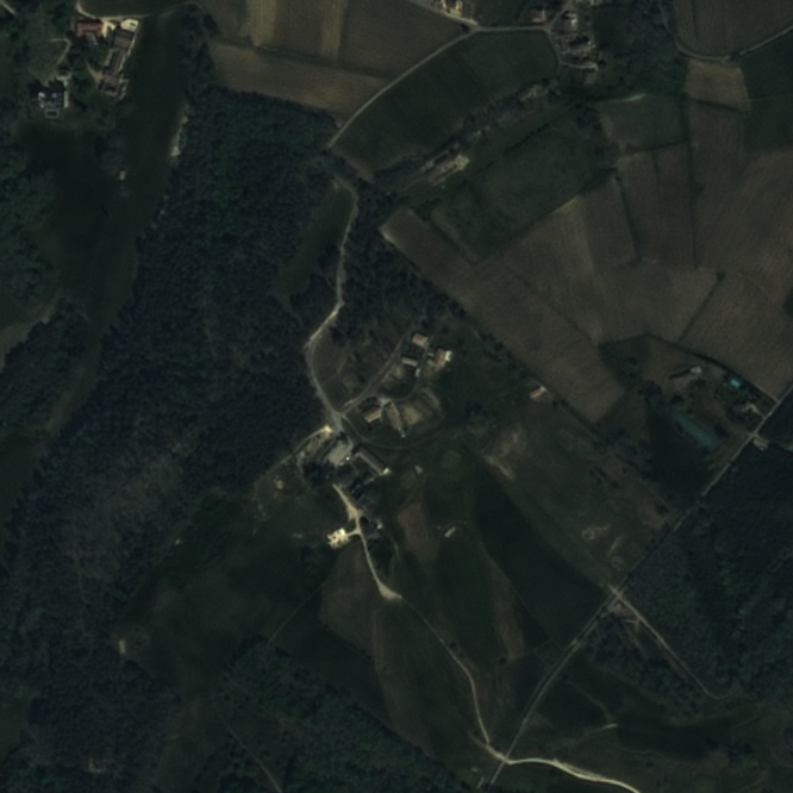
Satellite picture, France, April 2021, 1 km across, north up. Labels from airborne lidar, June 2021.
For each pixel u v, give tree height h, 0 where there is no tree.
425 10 0
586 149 0
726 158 0
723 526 11
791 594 8
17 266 21
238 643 0
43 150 0
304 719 17
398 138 0
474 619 0
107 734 13
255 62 0
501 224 0
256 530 0
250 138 18
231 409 19
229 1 0
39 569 25
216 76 15
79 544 14
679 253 0
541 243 0
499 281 0
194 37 13
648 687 13
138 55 0
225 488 19
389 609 0
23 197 21
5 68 0
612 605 0
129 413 21
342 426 0
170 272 25
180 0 0
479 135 19
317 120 18
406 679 0
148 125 0
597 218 0
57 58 25
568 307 0
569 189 0
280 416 18
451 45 0
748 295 0
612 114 0
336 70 0
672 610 19
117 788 11
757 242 0
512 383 0
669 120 0
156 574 0
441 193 0
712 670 20
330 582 0
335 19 0
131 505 16
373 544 7
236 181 22
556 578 0
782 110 0
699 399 0
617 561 0
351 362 11
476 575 0
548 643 0
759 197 0
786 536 8
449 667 0
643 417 0
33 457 0
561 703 0
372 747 22
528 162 0
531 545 0
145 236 0
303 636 0
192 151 23
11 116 26
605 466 0
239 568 0
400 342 18
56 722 21
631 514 0
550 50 0
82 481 18
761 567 11
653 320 0
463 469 0
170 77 0
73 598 6
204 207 15
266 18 0
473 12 0
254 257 21
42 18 27
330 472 16
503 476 0
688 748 0
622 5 11
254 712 0
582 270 0
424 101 0
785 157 0
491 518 0
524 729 0
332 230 0
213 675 0
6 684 18
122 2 0
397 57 0
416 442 0
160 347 15
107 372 16
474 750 0
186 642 0
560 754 0
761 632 8
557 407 11
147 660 0
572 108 6
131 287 0
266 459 17
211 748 0
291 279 0
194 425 16
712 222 0
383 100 0
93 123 0
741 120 0
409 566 0
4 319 0
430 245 0
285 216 21
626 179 0
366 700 0
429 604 0
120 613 19
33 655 13
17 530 15
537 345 0
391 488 0
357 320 13
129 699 20
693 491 0
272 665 23
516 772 0
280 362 14
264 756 8
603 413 0
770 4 0
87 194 0
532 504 0
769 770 0
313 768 16
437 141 0
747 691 18
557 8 10
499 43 0
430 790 8
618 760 0
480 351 0
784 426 11
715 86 0
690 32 0
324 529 0
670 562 22
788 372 0
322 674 0
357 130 0
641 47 12
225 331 18
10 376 15
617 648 18
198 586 0
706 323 0
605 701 0
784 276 0
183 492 21
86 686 18
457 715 0
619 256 0
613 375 0
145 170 0
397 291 22
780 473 10
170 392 22
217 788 0
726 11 0
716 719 0
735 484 7
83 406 0
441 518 0
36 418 20
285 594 0
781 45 0
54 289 0
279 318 18
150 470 19
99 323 0
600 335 0
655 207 0
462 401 0
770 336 0
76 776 16
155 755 23
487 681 0
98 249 0
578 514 0
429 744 0
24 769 19
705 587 11
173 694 22
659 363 0
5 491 0
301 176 18
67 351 19
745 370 0
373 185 9
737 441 0
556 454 0
